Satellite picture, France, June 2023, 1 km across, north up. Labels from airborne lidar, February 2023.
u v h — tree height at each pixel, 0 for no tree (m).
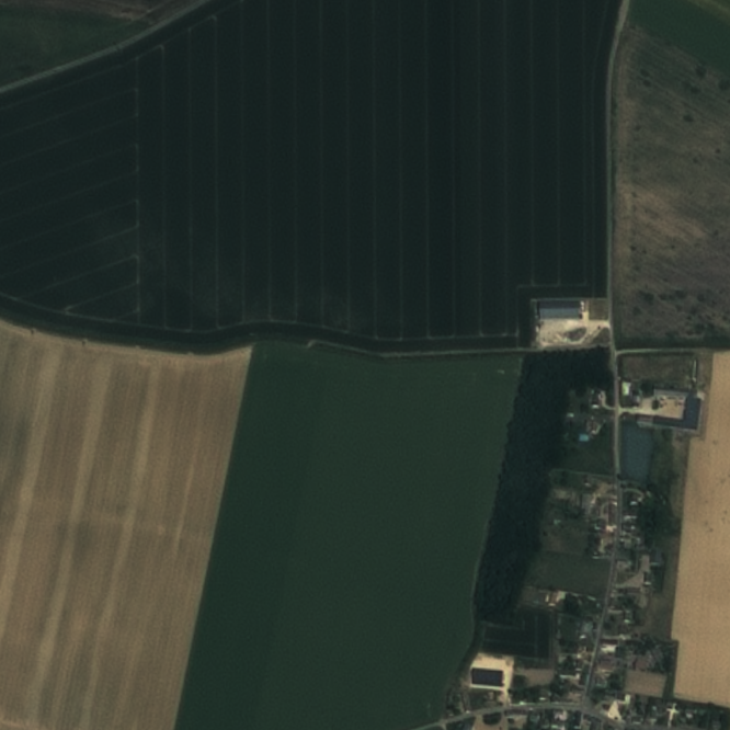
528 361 7
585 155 0
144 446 0
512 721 8
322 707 0
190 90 0
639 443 0
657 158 0
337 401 0
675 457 0
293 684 0
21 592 0
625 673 0
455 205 0
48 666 0
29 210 0
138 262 0
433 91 0
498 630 0
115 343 0
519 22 0
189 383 0
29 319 0
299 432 0
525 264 0
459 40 0
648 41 0
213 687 0
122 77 0
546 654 0
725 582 0
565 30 0
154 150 0
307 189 0
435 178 0
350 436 0
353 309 0
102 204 0
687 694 0
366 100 0
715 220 0
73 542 0
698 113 0
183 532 0
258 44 0
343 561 0
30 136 0
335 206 0
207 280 0
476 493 0
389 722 0
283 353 0
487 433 0
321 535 0
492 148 0
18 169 0
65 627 0
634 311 0
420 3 0
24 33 0
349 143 0
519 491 18
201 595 0
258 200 0
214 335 0
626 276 0
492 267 0
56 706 0
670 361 0
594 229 0
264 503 0
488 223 0
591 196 0
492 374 0
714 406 0
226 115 0
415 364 0
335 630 0
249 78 0
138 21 0
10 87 0
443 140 0
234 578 0
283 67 0
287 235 0
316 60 0
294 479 0
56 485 0
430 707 0
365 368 0
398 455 0
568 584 0
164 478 0
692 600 0
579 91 0
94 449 0
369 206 0
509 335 0
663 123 0
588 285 0
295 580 0
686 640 0
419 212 0
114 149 0
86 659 0
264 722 0
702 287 0
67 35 0
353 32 0
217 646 0
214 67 0
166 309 0
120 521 0
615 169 0
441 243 0
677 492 0
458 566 0
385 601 0
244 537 0
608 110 0
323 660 0
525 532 16
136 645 0
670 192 0
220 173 0
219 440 0
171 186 0
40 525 0
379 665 0
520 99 0
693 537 0
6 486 0
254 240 0
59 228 0
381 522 0
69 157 0
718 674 0
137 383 0
